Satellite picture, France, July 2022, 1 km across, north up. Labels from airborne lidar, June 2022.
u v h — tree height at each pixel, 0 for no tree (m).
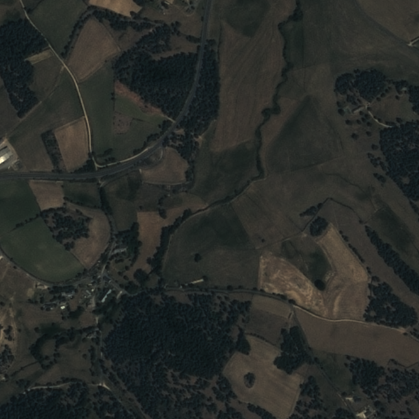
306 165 0
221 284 0
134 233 9
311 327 0
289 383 0
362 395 0
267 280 0
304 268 0
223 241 0
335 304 0
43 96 0
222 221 0
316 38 0
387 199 0
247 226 0
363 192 0
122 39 0
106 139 0
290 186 0
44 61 0
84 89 0
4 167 0
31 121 0
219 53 7
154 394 16
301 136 0
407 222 0
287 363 15
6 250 0
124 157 0
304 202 0
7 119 0
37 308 0
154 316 14
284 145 0
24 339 0
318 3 0
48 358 13
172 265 0
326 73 0
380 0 0
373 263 0
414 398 0
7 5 0
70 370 0
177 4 0
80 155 0
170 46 11
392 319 11
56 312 0
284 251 0
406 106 0
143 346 21
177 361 12
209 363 17
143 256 0
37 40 18
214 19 0
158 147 0
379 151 0
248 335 0
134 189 0
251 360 0
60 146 0
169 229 13
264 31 0
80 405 19
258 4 0
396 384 19
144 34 0
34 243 0
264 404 0
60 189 0
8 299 0
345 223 0
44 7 0
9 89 16
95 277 9
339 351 0
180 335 23
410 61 0
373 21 0
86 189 0
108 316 9
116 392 0
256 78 0
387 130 19
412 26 0
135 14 15
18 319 0
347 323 0
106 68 0
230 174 0
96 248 0
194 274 0
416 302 0
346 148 0
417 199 16
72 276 0
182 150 16
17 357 0
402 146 10
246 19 0
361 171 0
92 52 0
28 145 0
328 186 0
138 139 0
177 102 21
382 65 0
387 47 0
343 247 0
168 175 0
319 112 0
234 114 0
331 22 0
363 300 0
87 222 13
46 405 13
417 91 14
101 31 0
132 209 0
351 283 0
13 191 0
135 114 0
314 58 0
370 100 19
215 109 16
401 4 0
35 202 0
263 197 0
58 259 0
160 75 11
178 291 0
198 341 25
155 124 0
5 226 0
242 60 0
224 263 0
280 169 0
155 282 0
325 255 0
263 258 0
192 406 15
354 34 0
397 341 0
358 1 0
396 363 16
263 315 0
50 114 0
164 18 0
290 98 0
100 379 0
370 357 0
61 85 0
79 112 0
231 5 0
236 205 0
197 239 0
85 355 9
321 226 10
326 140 0
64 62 0
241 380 0
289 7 0
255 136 0
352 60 0
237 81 0
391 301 16
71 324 0
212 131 0
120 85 0
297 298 0
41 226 0
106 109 0
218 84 19
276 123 0
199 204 0
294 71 0
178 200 0
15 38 20
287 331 19
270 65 0
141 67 7
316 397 18
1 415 21
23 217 0
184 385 14
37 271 0
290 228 0
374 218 0
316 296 0
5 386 0
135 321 18
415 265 0
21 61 21
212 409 15
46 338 8
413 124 18
